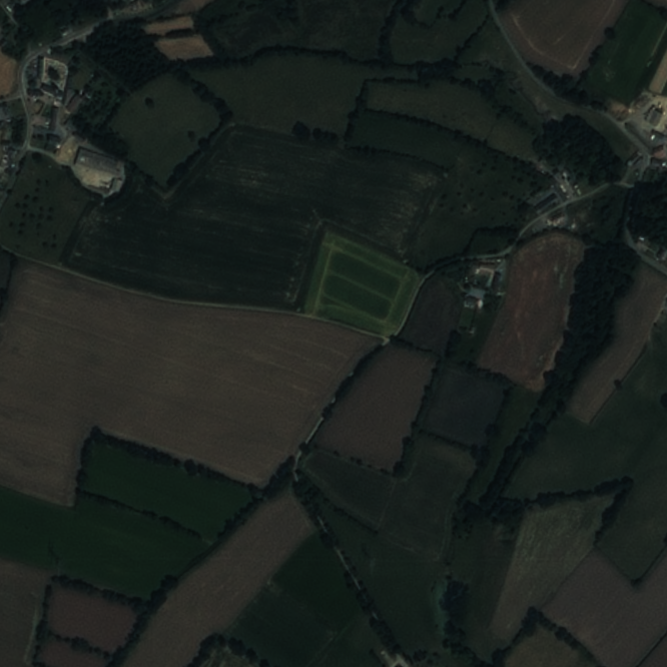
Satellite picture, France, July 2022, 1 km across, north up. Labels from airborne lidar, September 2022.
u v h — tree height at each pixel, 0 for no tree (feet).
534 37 0
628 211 35
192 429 0
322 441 0
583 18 0
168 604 0
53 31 0
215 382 0
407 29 0
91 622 0
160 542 0
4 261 0
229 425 0
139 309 0
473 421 0
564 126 56
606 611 0
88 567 0
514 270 0
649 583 0
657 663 0
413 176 0
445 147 0
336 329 0
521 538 0
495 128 0
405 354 0
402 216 0
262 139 0
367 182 0
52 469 0
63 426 0
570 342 71
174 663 0
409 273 0
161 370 0
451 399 0
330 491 0
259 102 0
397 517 0
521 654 0
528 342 0
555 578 0
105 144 34
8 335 0
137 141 0
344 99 0
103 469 0
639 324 0
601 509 0
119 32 23
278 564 0
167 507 0
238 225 0
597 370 0
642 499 0
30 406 0
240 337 0
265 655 0
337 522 0
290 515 0
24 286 0
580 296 51
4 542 0
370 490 0
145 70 32
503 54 0
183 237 0
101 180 0
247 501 0
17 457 0
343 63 57
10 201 0
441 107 0
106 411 0
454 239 0
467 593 105
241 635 0
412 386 0
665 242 31
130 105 0
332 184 0
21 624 0
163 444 0
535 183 26
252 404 0
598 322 31
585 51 0
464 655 83
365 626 0
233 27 0
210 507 0
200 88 62
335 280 0
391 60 56
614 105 0
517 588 0
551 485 0
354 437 0
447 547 0
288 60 0
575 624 0
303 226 0
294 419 0
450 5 0
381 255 0
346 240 0
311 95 0
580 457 0
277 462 0
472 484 42
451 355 57
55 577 22
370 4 0
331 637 0
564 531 0
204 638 0
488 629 0
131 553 0
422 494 0
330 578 0
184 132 0
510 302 0
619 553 0
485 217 0
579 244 0
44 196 0
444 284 0
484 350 0
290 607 0
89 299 0
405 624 0
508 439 0
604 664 0
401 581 0
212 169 0
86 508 0
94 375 0
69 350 0
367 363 41
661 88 0
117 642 0
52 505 0
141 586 0
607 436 0
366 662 0
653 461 0
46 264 0
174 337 0
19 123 25
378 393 0
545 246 0
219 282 0
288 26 0
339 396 47
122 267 0
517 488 0
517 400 0
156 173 0
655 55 0
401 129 0
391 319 0
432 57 0
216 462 0
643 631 0
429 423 0
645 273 0
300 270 0
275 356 0
